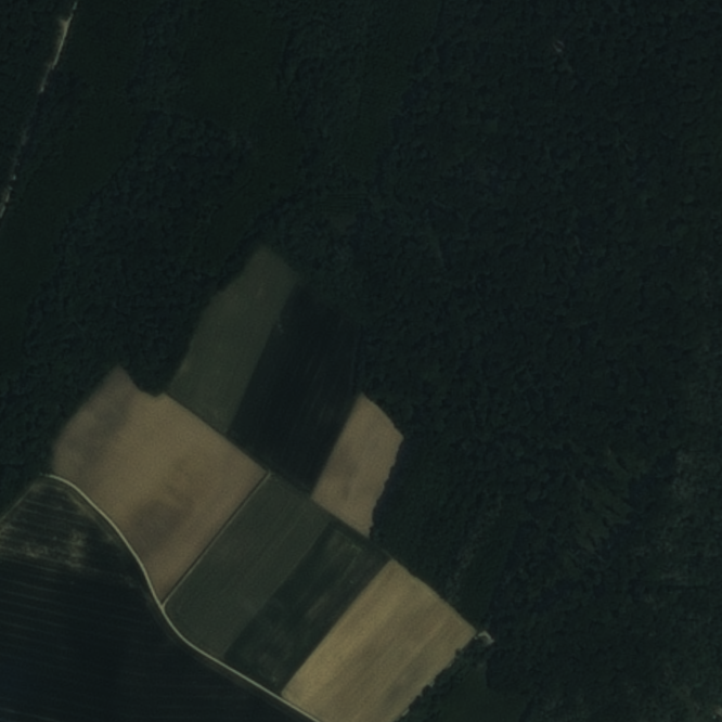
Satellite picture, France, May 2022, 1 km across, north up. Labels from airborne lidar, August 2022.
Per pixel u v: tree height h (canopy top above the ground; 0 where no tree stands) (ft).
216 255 24
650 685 70
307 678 0
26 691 0
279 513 0
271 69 23
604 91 103
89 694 0
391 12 51
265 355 0
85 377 65
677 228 105
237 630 0
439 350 105
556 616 99
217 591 0
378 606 0
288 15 50
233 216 26
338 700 0
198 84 20
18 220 31
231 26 31
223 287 62
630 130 101
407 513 54
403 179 80
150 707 0
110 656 0
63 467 0
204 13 27
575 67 108
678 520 71
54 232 25
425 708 35
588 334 87
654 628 98
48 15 65
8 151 52
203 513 0
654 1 102
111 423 0
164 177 86
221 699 0
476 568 22
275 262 0
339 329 0
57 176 23
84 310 52
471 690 0
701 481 27
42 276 20
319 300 0
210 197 92
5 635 0
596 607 105
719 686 21
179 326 81
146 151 78
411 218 80
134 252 90
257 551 0
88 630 0
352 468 0
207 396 0
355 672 0
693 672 66
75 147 23
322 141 73
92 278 65
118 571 0
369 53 27
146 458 0
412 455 95
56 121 73
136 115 25
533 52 99
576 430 94
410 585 0
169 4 31
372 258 85
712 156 101
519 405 82
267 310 0
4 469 73
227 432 0
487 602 35
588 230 100
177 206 79
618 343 105
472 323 97
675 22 106
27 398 85
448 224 100
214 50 20
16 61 68
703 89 102
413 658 0
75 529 0
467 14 88
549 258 110
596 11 107
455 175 73
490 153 99
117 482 0
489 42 90
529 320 105
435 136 98
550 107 105
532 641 94
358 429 0
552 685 90
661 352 108
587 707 73
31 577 0
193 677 0
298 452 0
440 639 0
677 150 91
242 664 0
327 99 75
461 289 31
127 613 0
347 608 0
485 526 73
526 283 108
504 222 102
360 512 0
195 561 0
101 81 28
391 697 0
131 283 82
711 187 71
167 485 0
